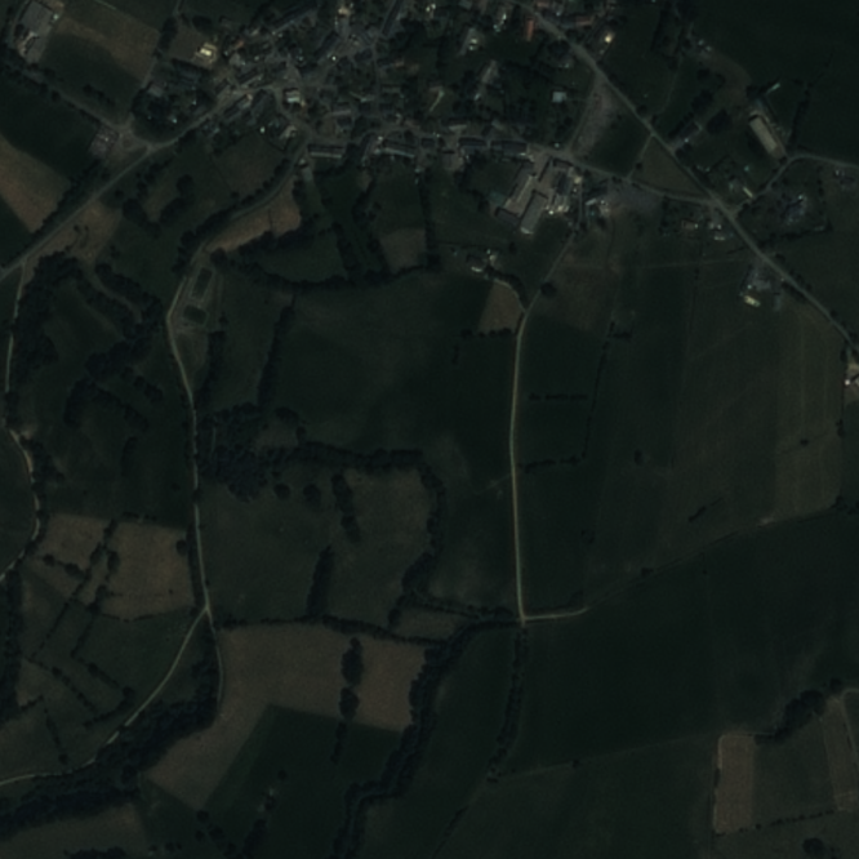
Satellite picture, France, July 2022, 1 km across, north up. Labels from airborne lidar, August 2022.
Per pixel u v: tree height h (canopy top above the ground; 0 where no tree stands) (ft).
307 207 31
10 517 0
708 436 0
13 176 0
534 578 0
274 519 0
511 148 0
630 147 0
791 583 0
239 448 41
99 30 0
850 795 0
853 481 0
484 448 0
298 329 0
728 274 0
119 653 0
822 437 0
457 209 0
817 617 0
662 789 0
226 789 0
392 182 0
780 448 0
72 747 0
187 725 67
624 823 0
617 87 30
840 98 0
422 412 0
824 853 58
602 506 0
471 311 0
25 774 0
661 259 0
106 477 0
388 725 0
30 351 32
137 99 30
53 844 0
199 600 32
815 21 0
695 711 0
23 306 47
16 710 24
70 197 29
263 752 0
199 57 0
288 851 0
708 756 0
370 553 0
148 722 28
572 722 0
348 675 54
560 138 19
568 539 0
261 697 0
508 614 41
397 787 35
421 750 52
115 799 61
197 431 28
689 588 0
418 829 0
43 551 0
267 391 64
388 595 0
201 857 0
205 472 65
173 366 23
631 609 0
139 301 23
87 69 0
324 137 0
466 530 0
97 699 0
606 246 0
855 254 0
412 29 49
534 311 0
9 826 65
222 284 0
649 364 0
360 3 39
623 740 0
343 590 0
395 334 0
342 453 38
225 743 0
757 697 0
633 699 0
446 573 0
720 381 0
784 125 0
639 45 0
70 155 0
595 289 0
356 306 0
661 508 0
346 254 65
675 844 0
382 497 0
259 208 0
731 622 0
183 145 37
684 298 0
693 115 31
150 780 0
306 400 0
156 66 0
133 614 0
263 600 0
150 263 0
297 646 0
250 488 57
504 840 0
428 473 44
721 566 0
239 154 0
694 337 0
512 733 47
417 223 0
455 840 0
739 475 0
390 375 0
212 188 0
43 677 0
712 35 0
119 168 0
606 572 0
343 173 31
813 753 0
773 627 0
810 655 0
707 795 0
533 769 0
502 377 0
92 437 0
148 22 0
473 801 0
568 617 0
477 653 0
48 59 0
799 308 0
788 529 0
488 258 0
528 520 0
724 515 0
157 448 0
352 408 0
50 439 0
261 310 0
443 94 0
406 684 0
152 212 0
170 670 0
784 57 0
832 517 0
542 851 0
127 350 63
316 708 0
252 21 19
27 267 0
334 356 0
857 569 0
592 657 0
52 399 0
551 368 0
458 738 0
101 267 34
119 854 56
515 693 36
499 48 0
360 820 41
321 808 0
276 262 0
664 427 0
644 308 0
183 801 0
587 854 0
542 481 0
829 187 0
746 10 0
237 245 0
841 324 29
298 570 0
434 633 0
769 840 0
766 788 0
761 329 0
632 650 0
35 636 0
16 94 0
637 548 0
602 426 0
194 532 20
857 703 0
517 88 0
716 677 0
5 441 0
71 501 0
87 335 0
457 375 0
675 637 0
